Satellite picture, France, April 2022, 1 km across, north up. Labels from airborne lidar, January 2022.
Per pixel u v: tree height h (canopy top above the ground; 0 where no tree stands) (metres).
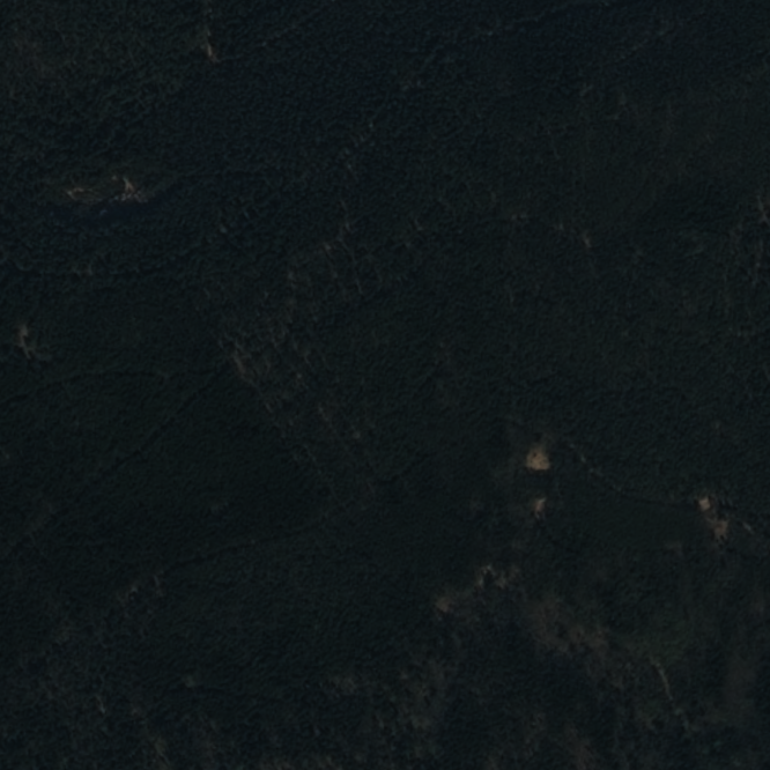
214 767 33
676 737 23
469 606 24
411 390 21
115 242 21
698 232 9
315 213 18
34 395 18
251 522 24
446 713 24
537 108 19
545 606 18
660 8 17
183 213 16
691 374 19
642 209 19
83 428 18
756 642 19
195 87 20
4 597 23
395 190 19
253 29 27
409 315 25
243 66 22
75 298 13
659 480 20
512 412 23
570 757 24
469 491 22
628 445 20
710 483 22
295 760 29
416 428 23
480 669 29
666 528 16
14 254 26
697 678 24
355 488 18
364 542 21
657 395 22
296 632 21
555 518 19
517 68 18
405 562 23
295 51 25
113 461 19
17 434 18
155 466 21
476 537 25
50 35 20
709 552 18
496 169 23
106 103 27
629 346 21
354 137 11
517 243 21
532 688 24
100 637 26
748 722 19
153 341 17
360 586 21
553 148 20
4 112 19
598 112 17
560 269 22
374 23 21
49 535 20
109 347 18
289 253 20
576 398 24
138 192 0
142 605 22
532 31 19
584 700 29
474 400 23
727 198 16
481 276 23
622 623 19
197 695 16
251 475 24
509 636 26
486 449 23
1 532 19
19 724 28
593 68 22
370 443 24
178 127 19
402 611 28
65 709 26
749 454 23
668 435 18
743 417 22
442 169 20
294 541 22
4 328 18
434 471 23
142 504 19
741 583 19
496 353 24
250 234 33
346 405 21
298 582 19
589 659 24
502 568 24
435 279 23
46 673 24
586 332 19
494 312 23
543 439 18
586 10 18
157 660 27
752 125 17
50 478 21
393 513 23
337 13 21
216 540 29
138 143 22
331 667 24
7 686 24
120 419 21
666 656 20
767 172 20
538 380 26
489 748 24
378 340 18
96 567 24
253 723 22
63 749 27
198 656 19
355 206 23
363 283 22
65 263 32
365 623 24
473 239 23
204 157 19
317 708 30
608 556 18
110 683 30
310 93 24
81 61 21
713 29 19
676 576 22
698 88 19
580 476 14
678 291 15
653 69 17
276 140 22
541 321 20
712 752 17
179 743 27
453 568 23
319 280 19
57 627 22
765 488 21
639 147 20
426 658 21
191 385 20
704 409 18
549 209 22
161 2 21
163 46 24
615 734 31
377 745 29
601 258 22
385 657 31
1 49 19
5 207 25
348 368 23
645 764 29
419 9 16
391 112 24
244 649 22
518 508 18
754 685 18
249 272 19
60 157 21
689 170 19
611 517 17
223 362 10
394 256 23
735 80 15
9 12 23
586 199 21
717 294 19
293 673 26
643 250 14
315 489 22
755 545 16
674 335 20
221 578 19
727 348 20
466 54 18
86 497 26
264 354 21
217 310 20
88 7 14
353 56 21
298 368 20
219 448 24
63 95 21
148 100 20
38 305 19
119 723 29
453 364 24
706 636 21
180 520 29
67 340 16
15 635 25
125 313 19
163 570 19
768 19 17
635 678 21
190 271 20
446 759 31
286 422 21
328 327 24
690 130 18
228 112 19
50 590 20
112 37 14
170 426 20
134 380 21
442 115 19
